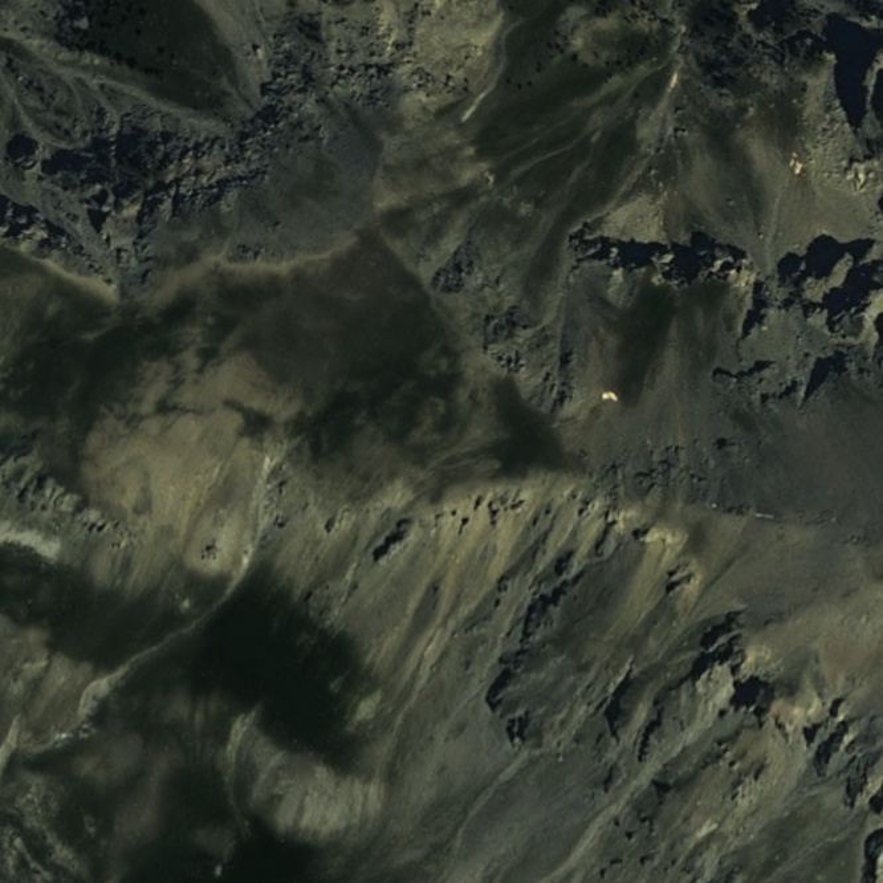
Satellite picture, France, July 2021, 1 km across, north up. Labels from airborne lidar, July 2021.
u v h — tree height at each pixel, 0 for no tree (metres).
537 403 0
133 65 16
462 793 0
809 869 0
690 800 0
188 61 0
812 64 0
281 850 0
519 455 0
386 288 0
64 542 0
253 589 0
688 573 0
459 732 0
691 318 0
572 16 0
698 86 0
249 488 0
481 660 0
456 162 0
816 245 0
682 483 0
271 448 0
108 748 0
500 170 0
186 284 0
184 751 0
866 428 0
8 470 0
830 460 0
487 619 0
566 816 0
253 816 0
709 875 0
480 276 0
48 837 0
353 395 0
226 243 0
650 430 0
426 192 0
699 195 0
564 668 0
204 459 0
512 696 0
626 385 0
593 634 0
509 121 0
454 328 0
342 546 0
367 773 0
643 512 0
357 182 0
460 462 0
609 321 0
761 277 0
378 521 0
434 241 0
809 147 0
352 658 0
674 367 0
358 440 0
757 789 0
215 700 0
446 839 0
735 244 0
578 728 0
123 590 0
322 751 0
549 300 0
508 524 0
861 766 0
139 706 0
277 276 0
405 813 0
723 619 0
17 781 0
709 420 0
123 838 0
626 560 0
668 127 0
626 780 0
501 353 0
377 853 0
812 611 0
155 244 0
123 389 0
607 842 0
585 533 0
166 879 0
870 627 0
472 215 0
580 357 0
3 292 0
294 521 0
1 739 0
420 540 0
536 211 0
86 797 0
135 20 0
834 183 0
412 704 0
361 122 0
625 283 0
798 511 0
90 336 0
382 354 0
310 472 0
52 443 0
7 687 0
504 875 0
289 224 0
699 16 0
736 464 0
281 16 0
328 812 0
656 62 0
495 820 0
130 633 0
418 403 0
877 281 0
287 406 0
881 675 0
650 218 0
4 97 0
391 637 0
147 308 0
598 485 0
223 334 0
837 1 0
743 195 0
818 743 0
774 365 0
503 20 0
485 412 0
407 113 0
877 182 0
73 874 0
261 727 0
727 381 0
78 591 0
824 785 0
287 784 0
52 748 0
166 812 0
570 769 0
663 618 0
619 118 0
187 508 0
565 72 0
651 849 0
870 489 0
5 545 0
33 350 0
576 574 0
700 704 0
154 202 0
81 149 0
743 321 0
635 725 0
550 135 0
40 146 0
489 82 0
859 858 0
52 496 0
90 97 0
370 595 0
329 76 0
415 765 0
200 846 0
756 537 0
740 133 0
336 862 0
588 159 0
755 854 0
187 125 0
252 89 0
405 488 0
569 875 0
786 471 0
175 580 0
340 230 0
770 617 0
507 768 0
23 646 0
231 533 0
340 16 0
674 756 0
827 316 0
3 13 0
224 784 0
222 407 0
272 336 0
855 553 0
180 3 0
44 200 0
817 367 0
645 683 0
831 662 0
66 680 0
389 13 0
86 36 14
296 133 0
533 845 0
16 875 0
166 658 0
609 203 0
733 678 0
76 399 0
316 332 0
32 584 0
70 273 0
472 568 0
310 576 0
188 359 0
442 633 0
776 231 0
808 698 0
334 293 0
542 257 0
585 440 0
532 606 0
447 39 0
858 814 0
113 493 0
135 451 0
